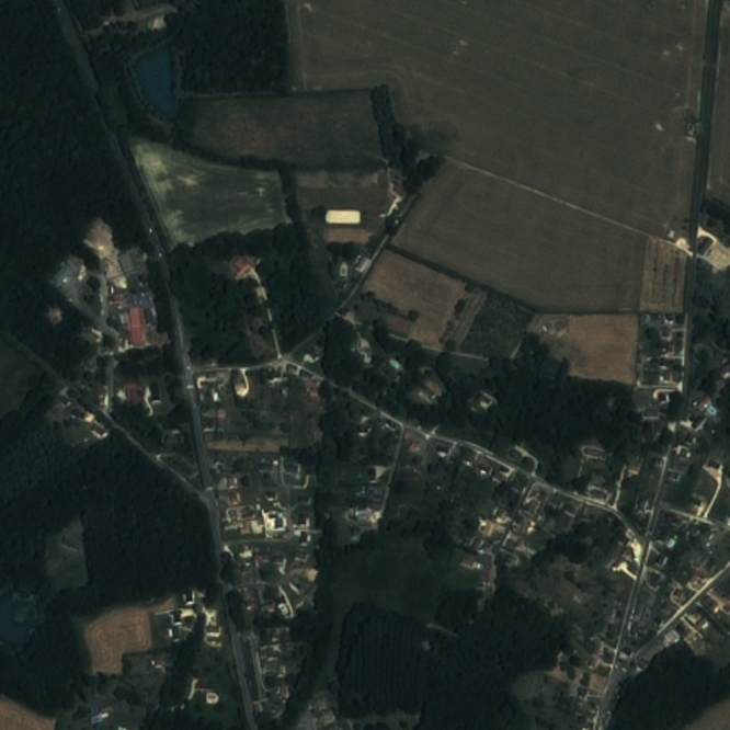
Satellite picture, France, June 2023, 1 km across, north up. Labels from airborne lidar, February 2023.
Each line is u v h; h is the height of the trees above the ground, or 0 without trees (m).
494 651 19
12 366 0
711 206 12
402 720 0
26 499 19
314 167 0
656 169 0
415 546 0
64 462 17
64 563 0
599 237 0
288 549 0
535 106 0
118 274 0
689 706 22
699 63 0
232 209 0
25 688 20
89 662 0
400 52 0
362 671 35
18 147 24
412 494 0
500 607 16
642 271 0
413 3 0
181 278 15
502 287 0
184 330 0
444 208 0
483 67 0
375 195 0
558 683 0
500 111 0
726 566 0
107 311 0
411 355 23
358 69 0
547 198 0
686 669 19
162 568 26
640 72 0
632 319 0
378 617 19
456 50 0
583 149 0
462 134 0
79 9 17
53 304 17
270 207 0
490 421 23
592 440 18
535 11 0
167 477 15
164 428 13
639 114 0
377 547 7
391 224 11
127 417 18
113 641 0
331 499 18
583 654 0
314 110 0
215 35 21
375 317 0
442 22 0
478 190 0
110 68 21
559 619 9
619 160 0
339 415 14
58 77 18
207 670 6
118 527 21
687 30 0
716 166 0
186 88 16
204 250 18
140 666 0
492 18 0
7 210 24
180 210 0
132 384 0
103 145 15
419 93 0
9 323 18
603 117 0
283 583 0
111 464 25
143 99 11
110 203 14
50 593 23
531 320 7
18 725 0
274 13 14
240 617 20
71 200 19
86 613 18
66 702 23
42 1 20
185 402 11
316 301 18
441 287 0
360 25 0
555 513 9
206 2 24
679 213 0
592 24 0
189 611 0
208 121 0
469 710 26
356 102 0
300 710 17
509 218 0
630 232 0
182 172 0
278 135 0
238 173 0
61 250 20
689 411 0
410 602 0
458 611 17
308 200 0
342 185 0
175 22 23
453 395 23
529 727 8
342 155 0
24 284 21
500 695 23
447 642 22
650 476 0
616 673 0
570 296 0
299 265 17
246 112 0
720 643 0
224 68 19
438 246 0
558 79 0
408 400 6
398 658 36
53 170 18
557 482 14
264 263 8
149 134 16
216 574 20
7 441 20
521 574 6
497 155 0
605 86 0
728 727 0
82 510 21
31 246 24
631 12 0
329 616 14
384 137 16
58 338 10
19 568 21
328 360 17
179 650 11
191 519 20
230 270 0
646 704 19
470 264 0
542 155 0
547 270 0
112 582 22
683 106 0
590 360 0
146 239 15
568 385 16
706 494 0
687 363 0
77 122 23
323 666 16
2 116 21
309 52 0
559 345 0
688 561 0
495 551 0
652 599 0
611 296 0
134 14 0
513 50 0
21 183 26
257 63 18
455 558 0
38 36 17
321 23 0
